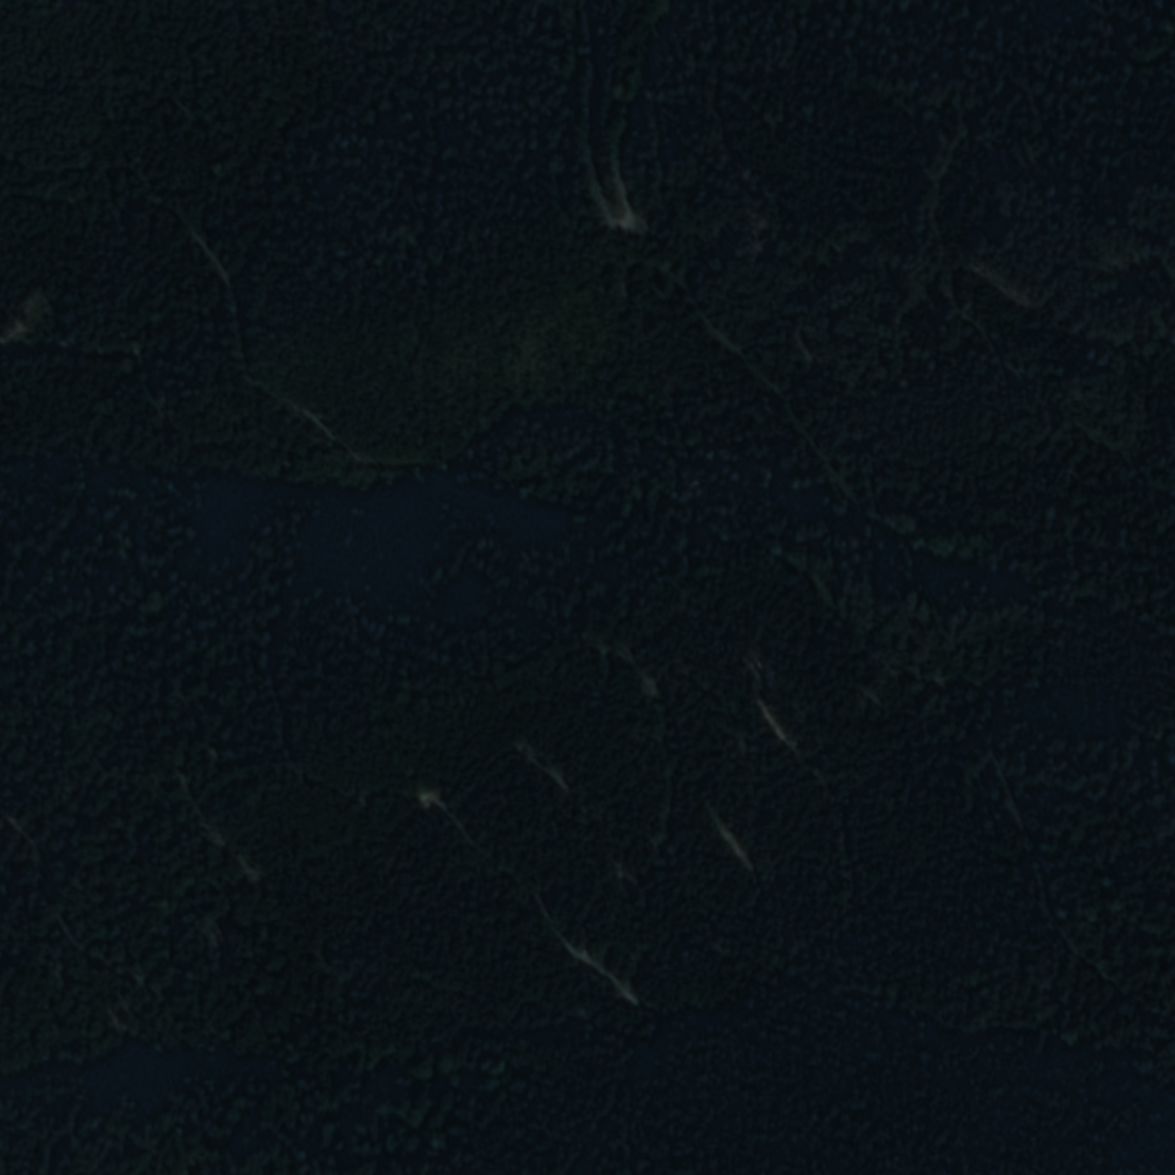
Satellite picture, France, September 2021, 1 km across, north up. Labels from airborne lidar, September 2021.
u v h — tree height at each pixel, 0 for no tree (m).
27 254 19
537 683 20
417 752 21
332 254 28
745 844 23
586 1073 21
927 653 26
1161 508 14
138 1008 30
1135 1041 25
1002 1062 20
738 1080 18
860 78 14
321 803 22
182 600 18
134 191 23
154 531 38
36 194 29
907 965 21
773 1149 22
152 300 31
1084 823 36
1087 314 33
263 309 19
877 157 18
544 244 25
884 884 18
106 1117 22
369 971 29
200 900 29
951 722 20
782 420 30
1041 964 30
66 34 23
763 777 17
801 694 23
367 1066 18
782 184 12
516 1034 20
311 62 20
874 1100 20
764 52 29
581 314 16
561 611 22
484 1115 26
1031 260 35
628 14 20
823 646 23
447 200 21
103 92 28
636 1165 8
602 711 18
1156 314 29
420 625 22
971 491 31
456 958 24
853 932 19
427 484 17
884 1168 21
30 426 29
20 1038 31
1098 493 10
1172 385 19
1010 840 27
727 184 31
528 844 21
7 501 27
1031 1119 22
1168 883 12
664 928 21
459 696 19
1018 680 16
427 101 39
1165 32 22
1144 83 14
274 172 18
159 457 28
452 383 15
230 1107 25
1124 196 11
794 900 18
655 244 9
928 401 27
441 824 21
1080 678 23
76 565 29
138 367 19
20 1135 27
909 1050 22
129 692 21
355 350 15
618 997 13
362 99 27
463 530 26
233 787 17
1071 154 13
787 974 24
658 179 24
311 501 23
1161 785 27
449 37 35
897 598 8
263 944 26
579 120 27
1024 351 21
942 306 10
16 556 26
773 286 33
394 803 15
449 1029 20
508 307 22
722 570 21
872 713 15
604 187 16
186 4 29
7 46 25
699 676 23
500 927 21
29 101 30
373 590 23
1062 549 11
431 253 19
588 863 21
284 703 17
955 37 20
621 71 20
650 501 27
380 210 35
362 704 30
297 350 18
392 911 24
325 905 20
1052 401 16
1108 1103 21
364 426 22
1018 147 8
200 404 29
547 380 16
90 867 29
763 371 22
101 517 29
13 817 26
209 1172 6
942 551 30
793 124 19
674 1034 23
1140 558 9
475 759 23
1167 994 6
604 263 14
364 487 18
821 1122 20
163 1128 29
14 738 25
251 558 32
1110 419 27
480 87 37
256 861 22
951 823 25
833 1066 21
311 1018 20
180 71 28
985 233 8
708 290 24
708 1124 24
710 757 13
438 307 20
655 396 21
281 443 24
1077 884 18
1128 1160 24
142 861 23
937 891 25
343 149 37
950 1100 22
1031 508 24
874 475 23
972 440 24
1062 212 30
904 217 12
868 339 34
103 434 25
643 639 20
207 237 8
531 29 26
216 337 23
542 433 23
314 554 23
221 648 23
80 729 30
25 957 31
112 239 30
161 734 18
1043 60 27
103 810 27
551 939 20
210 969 37
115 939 25
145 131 24
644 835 28
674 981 25
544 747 23
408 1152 27
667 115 15
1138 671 19
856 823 17
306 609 18
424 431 20
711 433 32
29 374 34
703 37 22
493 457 30
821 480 27
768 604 22
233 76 29
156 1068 24
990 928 23
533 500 37
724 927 19
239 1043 25
